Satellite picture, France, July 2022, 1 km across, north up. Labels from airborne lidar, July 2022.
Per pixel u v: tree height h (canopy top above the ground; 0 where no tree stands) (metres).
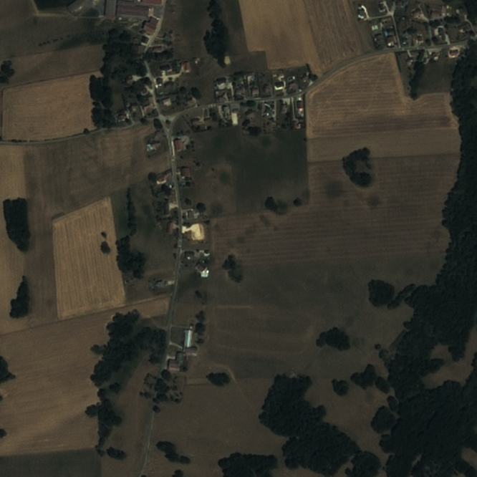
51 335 0
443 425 23
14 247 0
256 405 0
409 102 0
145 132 0
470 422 18
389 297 13
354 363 0
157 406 9
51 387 0
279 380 18
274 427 18
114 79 9
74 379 0
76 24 0
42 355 0
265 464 22
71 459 0
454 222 19
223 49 21
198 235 0
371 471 19
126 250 18
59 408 0
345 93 0
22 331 0
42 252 0
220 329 0
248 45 0
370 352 0
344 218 0
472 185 17
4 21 0
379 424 20
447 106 0
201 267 0
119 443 0
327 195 0
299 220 0
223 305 0
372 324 0
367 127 0
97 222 0
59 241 0
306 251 0
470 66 23
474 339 0
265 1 0
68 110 0
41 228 0
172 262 0
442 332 15
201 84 0
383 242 0
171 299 0
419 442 22
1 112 0
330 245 0
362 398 0
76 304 0
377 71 0
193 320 0
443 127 0
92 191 0
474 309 18
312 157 0
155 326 0
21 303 15
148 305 0
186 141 0
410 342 15
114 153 0
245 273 0
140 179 0
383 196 0
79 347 0
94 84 20
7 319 0
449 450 21
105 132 0
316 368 0
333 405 0
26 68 0
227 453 0
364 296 0
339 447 20
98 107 19
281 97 0
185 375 0
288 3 0
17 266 0
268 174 0
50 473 0
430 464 21
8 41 0
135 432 0
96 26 0
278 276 0
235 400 0
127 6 0
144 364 0
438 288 20
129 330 22
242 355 0
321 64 0
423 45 0
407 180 0
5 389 0
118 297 0
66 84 0
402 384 15
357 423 0
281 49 0
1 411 0
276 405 24
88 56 0
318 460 23
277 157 0
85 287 0
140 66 11
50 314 0
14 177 0
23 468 0
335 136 0
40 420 0
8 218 16
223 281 0
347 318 0
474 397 18
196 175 0
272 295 0
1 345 0
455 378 0
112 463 0
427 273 0
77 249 0
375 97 0
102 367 17
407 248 0
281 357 0
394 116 0
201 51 0
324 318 0
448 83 0
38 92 0
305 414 19
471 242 15
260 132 12
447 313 18
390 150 0
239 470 25
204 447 0
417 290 13
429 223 0
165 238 0
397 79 0
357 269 0
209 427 0
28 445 0
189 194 0
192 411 0
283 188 0
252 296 0
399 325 0
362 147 0
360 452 13
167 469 0
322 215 0
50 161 0
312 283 0
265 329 0
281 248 0
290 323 0
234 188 0
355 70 0
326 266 0
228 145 0
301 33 0
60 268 0
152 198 0
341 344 19
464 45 0
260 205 0
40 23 0
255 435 0
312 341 0
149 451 0
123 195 0
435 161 0
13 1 0
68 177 0
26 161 0
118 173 0
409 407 22
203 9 0
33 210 0
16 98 0
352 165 18
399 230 0
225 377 18
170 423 0
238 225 0
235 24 0
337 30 0
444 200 0
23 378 0
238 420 0
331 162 0
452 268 14
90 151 0
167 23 0
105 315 0
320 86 0
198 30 0
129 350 22
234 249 0
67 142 0
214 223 0
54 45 0
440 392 17
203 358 0
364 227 0
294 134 0
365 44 0
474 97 16
